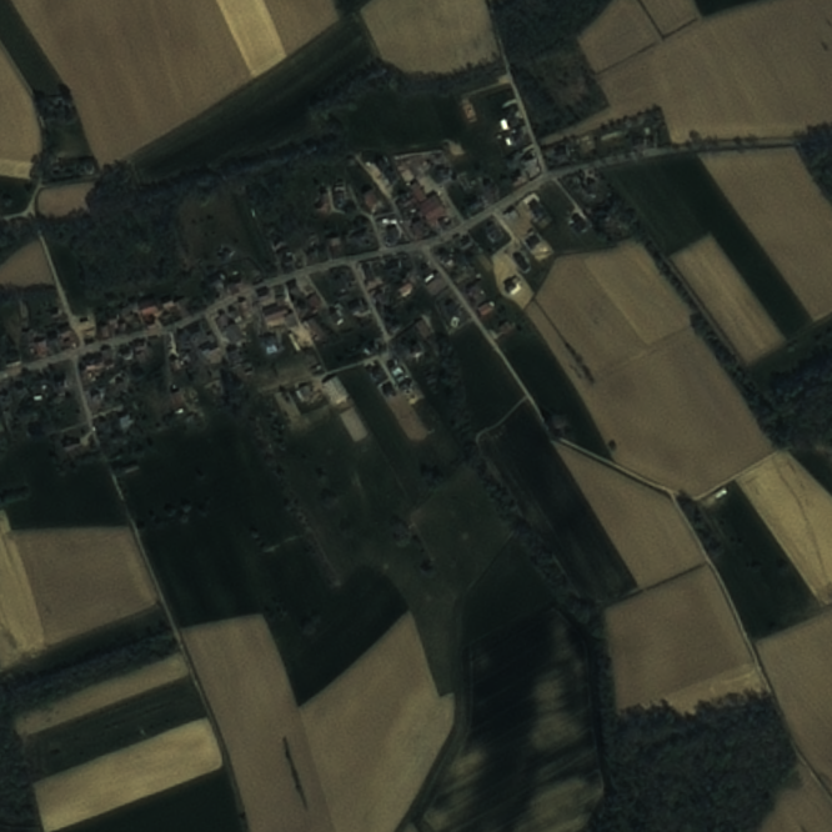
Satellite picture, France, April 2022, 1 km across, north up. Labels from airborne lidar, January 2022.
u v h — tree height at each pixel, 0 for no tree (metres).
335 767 0
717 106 0
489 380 0
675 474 0
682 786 30
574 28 31
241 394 17
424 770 0
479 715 0
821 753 0
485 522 0
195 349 0
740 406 0
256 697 0
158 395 0
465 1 0
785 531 0
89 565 0
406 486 0
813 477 0
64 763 0
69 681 14
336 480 0
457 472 0
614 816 9
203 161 0
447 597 0
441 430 0
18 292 20
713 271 0
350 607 0
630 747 27
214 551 0
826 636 0
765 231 0
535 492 0
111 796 0
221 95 0
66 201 0
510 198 0
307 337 0
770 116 0
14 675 0
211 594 0
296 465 0
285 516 0
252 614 0
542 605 0
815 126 0
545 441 0
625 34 0
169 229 35
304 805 0
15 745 21
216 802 0
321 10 0
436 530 0
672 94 0
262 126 0
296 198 0
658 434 0
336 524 0
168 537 0
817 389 35
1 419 8
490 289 0
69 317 0
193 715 0
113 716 0
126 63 0
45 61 0
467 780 0
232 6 0
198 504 0
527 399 0
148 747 0
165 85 0
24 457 0
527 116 0
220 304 0
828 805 0
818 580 0
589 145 0
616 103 0
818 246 0
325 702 0
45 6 0
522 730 0
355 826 0
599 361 0
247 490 0
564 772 0
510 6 27
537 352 0
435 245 0
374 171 0
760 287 0
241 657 0
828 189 24
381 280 0
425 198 0
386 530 0
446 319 0
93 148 0
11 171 0
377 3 0
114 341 0
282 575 0
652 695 0
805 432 31
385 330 0
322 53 0
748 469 0
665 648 0
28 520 0
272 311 0
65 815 0
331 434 0
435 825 0
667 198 0
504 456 0
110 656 14
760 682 0
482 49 0
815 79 0
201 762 0
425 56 0
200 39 0
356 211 15
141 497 0
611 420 0
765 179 0
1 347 18
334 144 16
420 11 0
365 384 0
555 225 0
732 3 0
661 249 0
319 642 0
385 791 0
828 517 0
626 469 0
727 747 29
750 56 0
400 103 0
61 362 0
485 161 0
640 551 0
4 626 0
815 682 0
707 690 0
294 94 0
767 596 0
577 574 0
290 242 15
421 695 0
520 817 0
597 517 0
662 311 0
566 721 0
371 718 0
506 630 0
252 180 18
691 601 0
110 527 0
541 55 22
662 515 0
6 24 0
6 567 0
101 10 0
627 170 0
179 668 0
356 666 0
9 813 22
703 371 0
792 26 0
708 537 19
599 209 6
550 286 0
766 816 25
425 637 0
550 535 0
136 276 27
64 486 0
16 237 22
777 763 31
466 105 0
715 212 0
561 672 0
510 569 0
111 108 0
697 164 0
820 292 0
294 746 0
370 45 0
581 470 0
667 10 0
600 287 0
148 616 0
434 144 0
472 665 0
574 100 0
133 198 24
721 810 26
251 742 0
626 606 0
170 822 0
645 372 0
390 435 0
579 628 0
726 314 0
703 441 0
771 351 0
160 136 0
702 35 0
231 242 0
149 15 0
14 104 0
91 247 23
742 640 0
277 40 0
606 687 19
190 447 0
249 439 0
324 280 0
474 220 0
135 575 0
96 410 0
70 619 0
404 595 0
